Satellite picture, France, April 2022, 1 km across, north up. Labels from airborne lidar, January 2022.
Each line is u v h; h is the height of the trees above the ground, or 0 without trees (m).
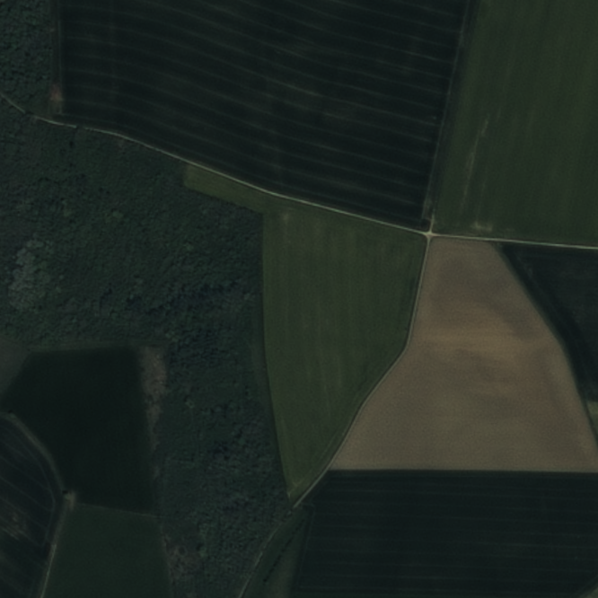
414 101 0
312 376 0
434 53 0
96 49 0
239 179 0
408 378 0
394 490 0
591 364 0
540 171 0
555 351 0
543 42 0
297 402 0
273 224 0
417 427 0
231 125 0
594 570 0
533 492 0
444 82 0
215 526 14
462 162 0
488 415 0
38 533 0
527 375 0
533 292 0
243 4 0
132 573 0
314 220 0
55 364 0
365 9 0
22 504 0
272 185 0
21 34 15
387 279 0
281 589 0
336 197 0
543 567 0
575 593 0
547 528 0
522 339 0
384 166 0
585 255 0
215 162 0
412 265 0
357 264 0
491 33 0
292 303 0
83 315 13
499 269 0
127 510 0
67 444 0
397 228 0
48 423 0
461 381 0
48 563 0
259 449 7
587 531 0
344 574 0
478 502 0
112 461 0
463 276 0
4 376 0
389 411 0
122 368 0
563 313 0
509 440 0
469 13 0
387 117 0
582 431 0
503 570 0
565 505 0
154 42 0
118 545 0
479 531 0
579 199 0
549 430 0
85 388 0
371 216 0
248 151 0
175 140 0
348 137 0
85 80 0
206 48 0
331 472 0
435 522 0
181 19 0
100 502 0
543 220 0
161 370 0
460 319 0
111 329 8
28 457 0
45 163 5
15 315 11
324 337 0
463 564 0
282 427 0
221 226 17
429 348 0
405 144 0
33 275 28
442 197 0
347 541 0
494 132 0
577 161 0
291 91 0
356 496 0
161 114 0
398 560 0
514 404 0
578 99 0
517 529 0
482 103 0
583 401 0
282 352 0
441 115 0
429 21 0
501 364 0
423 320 0
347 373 0
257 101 0
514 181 0
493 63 0
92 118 0
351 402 0
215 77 0
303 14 0
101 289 7
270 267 0
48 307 8
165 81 0
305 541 0
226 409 5
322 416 0
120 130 0
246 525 8
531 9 0
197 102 0
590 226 0
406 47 0
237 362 8
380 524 0
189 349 15
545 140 0
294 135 0
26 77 15
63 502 0
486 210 0
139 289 10
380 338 0
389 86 0
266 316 0
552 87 0
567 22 0
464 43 0
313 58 0
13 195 11
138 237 7
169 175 9
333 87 0
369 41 0
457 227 0
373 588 0
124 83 0
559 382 0
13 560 0
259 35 0
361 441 0
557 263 0
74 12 0
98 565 0
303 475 0
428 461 0
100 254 7
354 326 0
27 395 0
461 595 0
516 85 0
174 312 15
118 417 0
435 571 0
